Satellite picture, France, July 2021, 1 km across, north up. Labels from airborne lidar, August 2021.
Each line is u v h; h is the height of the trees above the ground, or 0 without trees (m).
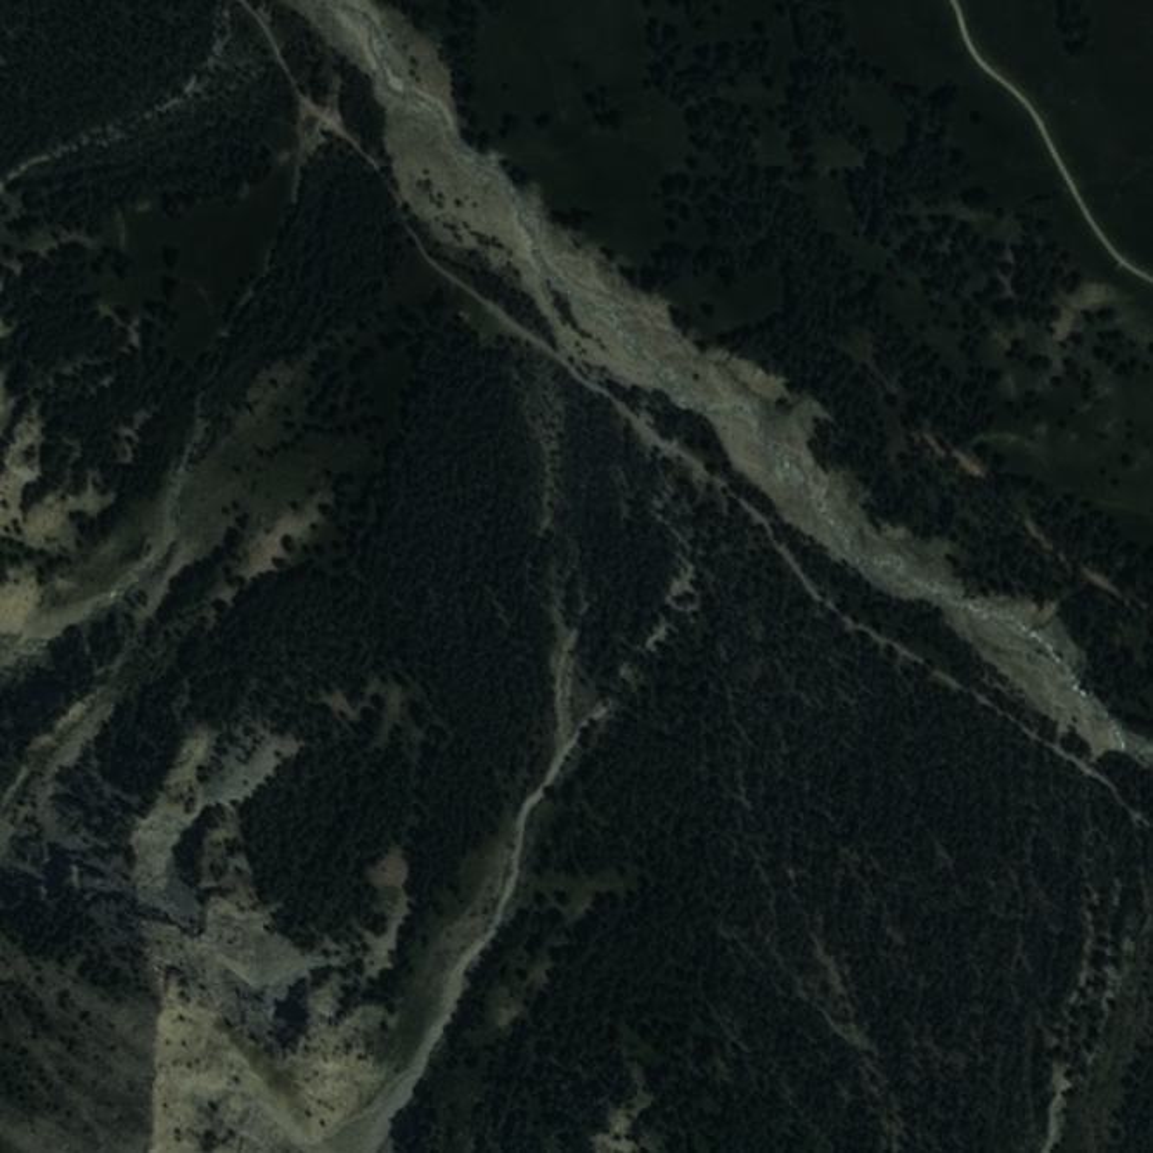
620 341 0
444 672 18
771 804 13
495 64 0
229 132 10
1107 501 0
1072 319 0
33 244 0
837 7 20
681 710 15
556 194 0
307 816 19
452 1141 7
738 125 22
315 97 12
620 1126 0
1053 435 0
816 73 22
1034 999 8
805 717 12
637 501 10
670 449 0
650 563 18
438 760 24
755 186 24
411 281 0
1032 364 12
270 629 23
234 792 0
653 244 0
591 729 10
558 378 9
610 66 0
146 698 13
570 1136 17
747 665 15
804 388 16
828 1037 8
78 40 22
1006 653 0
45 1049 0
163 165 7
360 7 0
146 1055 0
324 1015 0
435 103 0
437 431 14
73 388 12
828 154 0
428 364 24
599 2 0
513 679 16
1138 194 0
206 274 0
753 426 0
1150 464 0
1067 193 0
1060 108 0
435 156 0
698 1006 13
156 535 0
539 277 0
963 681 11
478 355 21
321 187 7
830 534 0
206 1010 0
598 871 22
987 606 0
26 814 0
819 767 20
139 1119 0
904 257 16
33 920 14
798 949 17
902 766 12
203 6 6
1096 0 0
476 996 9
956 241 26
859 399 23
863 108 0
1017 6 0
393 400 0
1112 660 19
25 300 21
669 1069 12
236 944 0
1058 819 15
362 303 14
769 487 0
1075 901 14
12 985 7
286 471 0
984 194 19
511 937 19
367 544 14
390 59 0
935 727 14
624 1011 25
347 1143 0
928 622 14
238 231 0
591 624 10
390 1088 0
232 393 7
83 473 13
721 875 20
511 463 16
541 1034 11
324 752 8
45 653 0
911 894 14
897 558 0
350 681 24
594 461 11
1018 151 0
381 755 11
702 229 0
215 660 22
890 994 15
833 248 19
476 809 23
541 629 15
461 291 0
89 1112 0
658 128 0
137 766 14
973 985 16
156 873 0
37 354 19
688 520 13
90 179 14
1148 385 0
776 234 21
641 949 27
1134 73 0
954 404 21
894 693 18
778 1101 25
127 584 0
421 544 13
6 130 24
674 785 21
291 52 12
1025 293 22
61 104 17
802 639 11
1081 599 10
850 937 13
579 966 28
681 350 0
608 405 11
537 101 0
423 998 0
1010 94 0
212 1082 0
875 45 0
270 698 13
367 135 13
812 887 14
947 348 0
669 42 17
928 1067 19
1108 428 0
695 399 0
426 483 12
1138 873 18
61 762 0
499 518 19
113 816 10
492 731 18
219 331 0
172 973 0
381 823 18
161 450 25
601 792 23
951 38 0
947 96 16
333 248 21
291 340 13
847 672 10
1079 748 12
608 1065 27
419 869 21
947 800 17
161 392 24
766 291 0
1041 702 0
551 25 0
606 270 0
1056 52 0
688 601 11
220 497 0
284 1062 0
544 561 14
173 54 17
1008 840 14
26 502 10
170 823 0
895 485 31
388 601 9
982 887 14
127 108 21
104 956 7
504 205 0
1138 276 0
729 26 0
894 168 23
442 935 0
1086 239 0
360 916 9
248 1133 0
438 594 14
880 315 25
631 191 0
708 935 16
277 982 0
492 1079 12
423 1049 0
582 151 0
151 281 0
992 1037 7
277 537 0
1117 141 0
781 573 13
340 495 18
